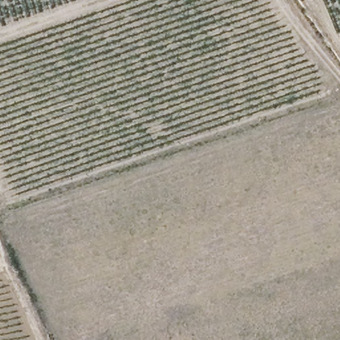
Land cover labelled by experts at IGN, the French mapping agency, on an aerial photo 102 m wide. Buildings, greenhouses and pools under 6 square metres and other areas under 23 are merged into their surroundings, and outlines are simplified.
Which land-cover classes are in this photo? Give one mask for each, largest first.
<instances>
[{"label":"plowed land","instance_id":"1","mask_svg":"<svg viewBox=\"0 0 340 340\"><path fill-rule=\"evenodd\" d=\"M324 100L333 101L335 104L328 108L291 114L290 117L264 124L244 134L228 137L224 141L183 151L151 165L118 174L116 178L104 179L93 185L70 190L68 195H54L52 199L9 212V218L4 220L1 227L8 236V242L15 248L17 258L28 276L33 291L39 297L46 319L52 324L54 337H60L61 340H340V100L337 102L328 94L323 97Z\"/></svg>","mask_w":340,"mask_h":340},{"label":"vineyard","instance_id":"2","mask_svg":"<svg viewBox=\"0 0 340 340\"><path fill-rule=\"evenodd\" d=\"M77 0H0V24L7 25L9 21L27 19L45 9L60 7L62 4ZM271 0H126L62 21L60 24L49 25L28 35L0 42V340H61L60 337H54L52 324L46 319L39 297L33 291L28 276L17 258L15 248L8 242V236L1 227L4 220L9 218V212L52 199L54 195H68L70 190L93 185L104 179L116 178L118 174L151 165L183 151L224 141L228 137L244 134L264 124L290 117L291 114L328 108L335 104L333 101L324 100L323 97L328 94L337 102L340 100V84L335 76L327 81H321L320 77L309 78L312 73H317L315 65L304 66V62L308 60L295 62V58H300L303 54L290 57L288 54L299 49L271 56V53L278 50L290 48L295 42L292 40L294 37H287V33L291 31L282 32L280 29L286 25H279L278 20L266 23L267 19H272L275 15L262 17L263 13L271 11ZM294 1L296 8L303 13V19L315 33L316 41L340 69V0H286V3Z\"/></svg>","mask_w":340,"mask_h":340},{"label":"pervious surface","instance_id":"3","mask_svg":"<svg viewBox=\"0 0 340 340\"><path fill-rule=\"evenodd\" d=\"M126 0H77L62 4L60 7L45 9L27 19L9 21L7 25L0 24V42L28 35L49 25L60 24L62 21ZM271 11L263 13L262 17L275 15L272 19H267L266 23L278 20L279 25H286L280 29L282 32L291 31L287 33V37H294L292 40L295 42L290 48L278 50L271 53V56L299 49L288 54L290 57L303 54L300 58H295V62L308 60L304 62V66L315 65L317 73H312L309 78L320 77L321 81H327L335 76L340 84V69L316 41L315 33L303 19V13L296 8L294 1L286 3V0H271Z\"/></svg>","mask_w":340,"mask_h":340}]
</instances>
